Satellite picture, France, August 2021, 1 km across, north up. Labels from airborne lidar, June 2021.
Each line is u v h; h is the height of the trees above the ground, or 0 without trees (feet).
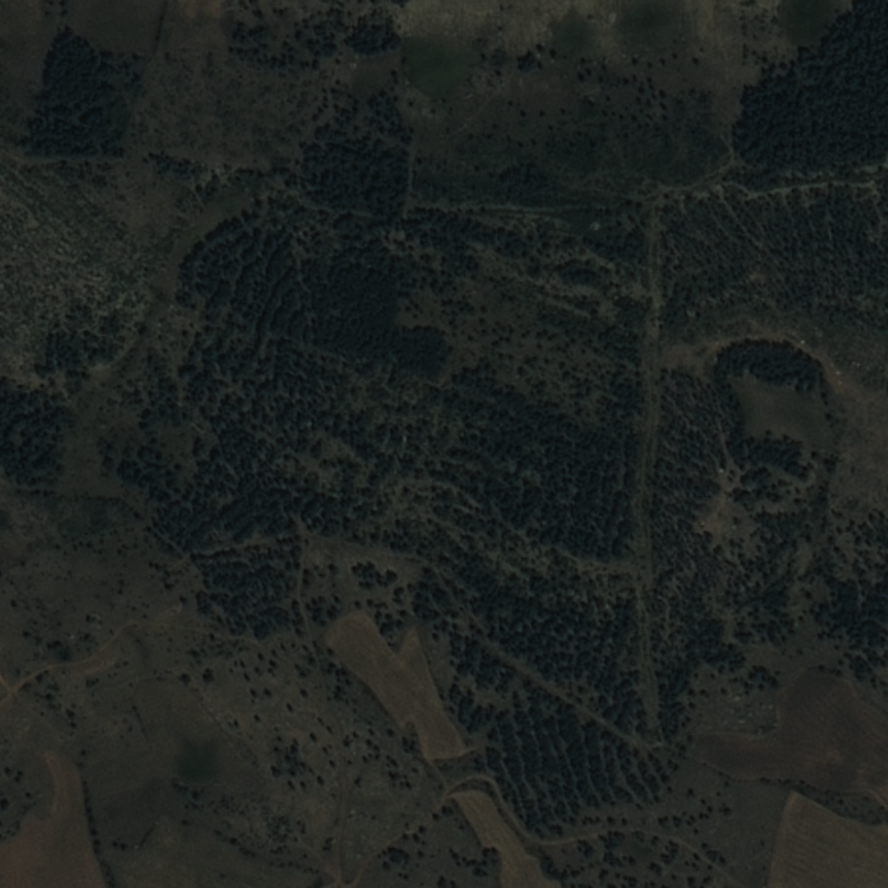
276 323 38
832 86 31
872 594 21
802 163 27
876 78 35
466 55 0
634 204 22
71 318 24
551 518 34
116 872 0
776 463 32
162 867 0
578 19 0
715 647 24
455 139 0
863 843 0
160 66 0
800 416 0
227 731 0
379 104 29
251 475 25
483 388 35
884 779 0
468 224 22
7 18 0
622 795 32
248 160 0
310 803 0
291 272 32
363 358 40
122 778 0
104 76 50
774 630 25
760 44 0
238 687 0
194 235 0
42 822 0
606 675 27
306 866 0
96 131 44
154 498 39
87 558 0
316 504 37
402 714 0
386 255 31
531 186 36
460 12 0
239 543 34
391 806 0
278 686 0
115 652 0
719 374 36
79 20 0
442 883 21
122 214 0
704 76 0
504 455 37
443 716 0
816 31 0
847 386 0
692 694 31
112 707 0
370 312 33
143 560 0
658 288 0
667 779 31
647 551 0
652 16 0
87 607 0
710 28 0
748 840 0
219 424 38
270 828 0
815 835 0
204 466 37
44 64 0
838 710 0
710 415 44
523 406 34
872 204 24
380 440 28
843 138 48
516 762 41
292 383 40
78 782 0
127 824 0
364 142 23
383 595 0
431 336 33
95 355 43
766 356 45
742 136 20
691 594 37
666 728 26
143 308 0
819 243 37
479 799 0
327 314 30
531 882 0
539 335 19
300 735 0
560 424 33
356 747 0
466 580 36
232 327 35
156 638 0
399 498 0
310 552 0
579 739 44
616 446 32
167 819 0
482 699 0
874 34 47
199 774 0
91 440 0
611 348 21
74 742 0
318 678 0
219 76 0
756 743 0
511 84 0
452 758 0
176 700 0
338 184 31
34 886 0
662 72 0
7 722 0
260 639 31
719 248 35
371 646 0
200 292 41
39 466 39
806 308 22
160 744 0
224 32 0
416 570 0
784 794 0
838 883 0
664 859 25
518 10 0
